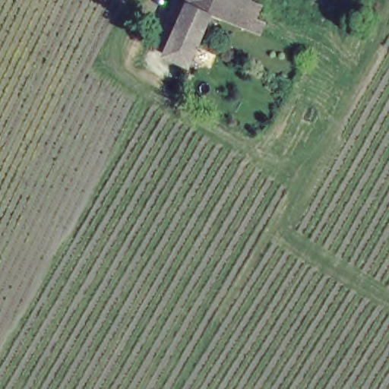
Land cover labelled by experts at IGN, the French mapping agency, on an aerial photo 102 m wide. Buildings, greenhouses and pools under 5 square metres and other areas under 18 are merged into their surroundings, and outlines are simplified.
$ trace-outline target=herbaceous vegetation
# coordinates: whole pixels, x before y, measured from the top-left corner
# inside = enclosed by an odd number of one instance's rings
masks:
[[[140,41],[141,35],[138,30],[131,30],[126,35],[125,30],[119,26],[111,27],[100,46],[93,62],[96,71],[94,74],[111,84],[115,90],[132,97],[134,102],[144,99],[144,112],[149,112],[150,108],[157,111],[158,106],[164,103],[166,97],[161,96],[161,87],[155,87],[126,70],[126,53],[135,40]]]
[[[263,33],[260,36],[252,35],[249,32],[242,32],[237,27],[231,27],[229,36],[232,43],[232,67],[225,67],[214,58],[211,67],[196,67],[190,68],[191,73],[185,79],[194,79],[196,88],[202,94],[207,93],[211,99],[219,100],[219,91],[228,90],[228,96],[231,97],[229,100],[220,100],[219,112],[223,117],[220,117],[219,122],[213,126],[213,131],[207,131],[205,128],[194,129],[213,143],[225,147],[229,153],[234,152],[245,158],[252,172],[260,170],[261,176],[277,179],[278,184],[284,187],[284,194],[289,196],[286,211],[281,217],[280,225],[274,225],[274,229],[267,232],[267,240],[272,243],[272,248],[280,246],[281,251],[289,257],[293,246],[301,251],[299,261],[305,266],[318,266],[322,278],[327,277],[328,280],[333,277],[337,280],[336,287],[339,289],[343,284],[353,287],[356,295],[351,301],[356,304],[359,304],[360,299],[368,299],[368,302],[377,301],[378,307],[383,308],[384,313],[389,313],[389,286],[386,286],[386,281],[378,281],[369,272],[354,266],[351,261],[337,257],[331,249],[324,249],[312,239],[308,239],[295,228],[295,220],[299,213],[310,208],[308,201],[312,199],[312,193],[307,191],[307,188],[312,185],[316,176],[316,169],[313,166],[321,157],[322,150],[331,141],[331,131],[327,129],[328,122],[334,117],[340,119],[345,114],[349,97],[353,96],[354,88],[362,81],[369,65],[377,56],[377,50],[381,47],[378,40],[381,30],[389,27],[389,0],[360,0],[360,8],[363,6],[366,11],[380,12],[381,15],[381,23],[374,27],[371,40],[365,41],[348,33],[339,36],[337,33],[336,24],[339,23],[340,15],[343,12],[354,12],[348,6],[349,0],[257,0],[260,3],[260,20],[266,23]],[[316,53],[316,65],[310,73],[299,73],[296,70],[295,55],[304,52],[305,49],[312,49],[312,52]],[[251,77],[249,81],[242,81],[245,74],[245,59],[249,62],[261,62],[264,73],[287,76],[295,81],[289,102],[281,106],[275,117],[272,103],[274,100],[270,99],[267,81],[255,77]]]
[[[157,15],[161,24],[158,50],[160,52],[166,47],[185,0],[126,0],[123,14],[128,18],[134,17],[135,12],[143,17],[146,12]]]

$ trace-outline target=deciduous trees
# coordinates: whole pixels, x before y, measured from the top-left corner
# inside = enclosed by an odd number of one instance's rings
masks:
[[[134,17],[128,18],[119,26],[125,30],[126,35],[131,30],[138,30],[141,35],[140,41],[141,46],[147,47],[150,52],[158,50],[161,24],[157,15],[146,12],[143,17],[135,12]]]
[[[213,126],[219,122],[220,117],[223,117],[219,112],[220,100],[229,100],[231,97],[228,96],[228,90],[219,91],[219,100],[211,99],[207,93],[202,94],[196,88],[194,79],[185,79],[191,73],[190,68],[182,68],[179,79],[184,81],[184,84],[169,99],[166,97],[164,103],[173,112],[179,112],[178,123],[194,129],[205,128],[207,131],[213,131]]]
[[[261,62],[249,62],[245,59],[245,74],[242,81],[249,81],[251,77],[255,77],[267,81],[270,99],[274,100],[272,103],[275,117],[281,106],[289,102],[295,81],[287,76],[264,73]]]
[[[316,65],[316,53],[312,52],[312,49],[305,49],[304,52],[295,55],[296,70],[299,73],[310,73]]]
[[[363,6],[360,8],[360,0],[349,0],[348,6],[354,12],[343,12],[340,15],[339,23],[336,24],[337,33],[339,36],[348,33],[365,41],[371,40],[374,27],[381,23],[381,15],[380,12],[366,11]]]
[[[202,44],[204,49],[214,53],[214,58],[225,67],[232,67],[232,43],[229,36],[231,27],[226,24],[210,24],[202,36]]]

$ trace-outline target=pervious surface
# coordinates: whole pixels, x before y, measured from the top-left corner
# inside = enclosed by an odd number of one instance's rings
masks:
[[[211,67],[214,58],[214,53],[204,49],[202,44],[194,56],[196,67]]]
[[[158,50],[150,52],[147,47],[141,46],[140,41],[135,40],[126,53],[126,70],[155,87],[161,87],[161,96],[166,97],[169,99],[184,84],[184,81],[179,79],[182,68],[173,64],[167,68],[161,62],[160,52]]]

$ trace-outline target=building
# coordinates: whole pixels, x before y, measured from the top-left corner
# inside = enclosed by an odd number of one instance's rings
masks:
[[[260,36],[263,33],[266,23],[260,20],[260,3],[257,0],[185,0],[166,47],[160,52],[161,62],[167,68],[173,64],[182,68],[190,68],[196,67],[194,56],[202,44],[202,36],[210,24],[226,24],[231,27],[237,27],[242,32],[249,32],[252,35]]]

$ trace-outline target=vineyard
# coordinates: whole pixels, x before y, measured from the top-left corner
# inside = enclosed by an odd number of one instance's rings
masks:
[[[299,213],[295,220],[295,228],[308,239],[312,239],[324,249],[331,249],[337,257],[351,261],[354,266],[369,272],[378,281],[386,281],[386,286],[389,286],[389,27],[381,30],[378,40],[381,47],[377,50],[377,56],[369,65],[362,81],[354,88],[353,96],[349,97],[345,114],[340,119],[334,117],[328,122],[327,129],[331,131],[331,141],[322,150],[321,157],[313,166],[316,169],[316,176],[312,185],[307,188],[307,191],[312,193],[312,199],[308,201],[310,208]]]
[[[278,184],[277,179],[261,176],[260,170],[252,172],[245,158],[234,152],[229,153],[225,147],[213,143],[194,129],[178,123],[179,112],[173,112],[164,103],[158,106],[157,111],[150,108],[149,112],[144,112],[144,99],[134,102],[132,97],[115,90],[111,84],[94,74],[96,71],[93,62],[100,46],[111,27],[119,26],[128,18],[123,14],[126,0],[0,0],[0,389],[389,389],[389,313],[384,313],[383,308],[378,307],[377,301],[368,302],[368,299],[360,299],[359,304],[356,304],[351,301],[356,295],[353,287],[343,284],[339,289],[336,287],[337,280],[333,277],[328,280],[327,277],[322,278],[318,266],[305,266],[299,261],[301,251],[293,246],[289,257],[281,251],[280,246],[272,248],[272,243],[267,240],[267,232],[274,229],[274,225],[280,225],[281,217],[286,211],[289,196],[284,194],[284,187]]]

